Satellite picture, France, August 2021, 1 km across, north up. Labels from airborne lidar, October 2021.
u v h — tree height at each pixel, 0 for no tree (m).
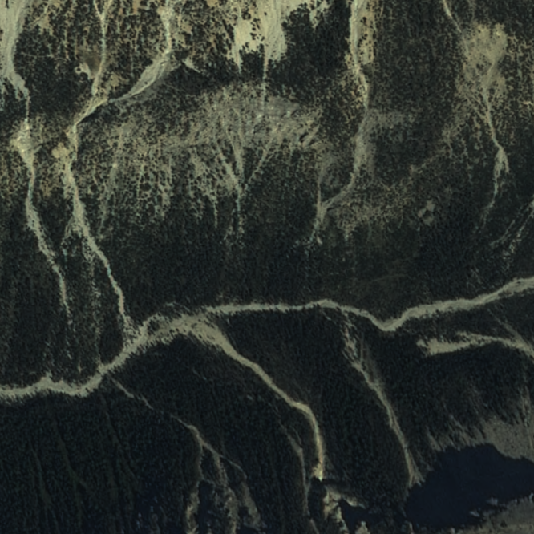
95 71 0
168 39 0
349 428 14
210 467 8
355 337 7
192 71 12
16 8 0
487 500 8
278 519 12
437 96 6
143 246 6
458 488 0
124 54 7
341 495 0
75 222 0
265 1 0
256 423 11
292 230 13
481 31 0
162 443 13
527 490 9
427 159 9
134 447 15
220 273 14
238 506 0
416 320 7
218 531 6
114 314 6
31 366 15
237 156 0
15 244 12
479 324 6
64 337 14
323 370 9
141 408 14
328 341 9
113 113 6
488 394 10
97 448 17
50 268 6
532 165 6
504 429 0
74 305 10
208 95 6
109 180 0
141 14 7
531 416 0
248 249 9
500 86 0
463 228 15
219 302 9
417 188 10
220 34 7
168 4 0
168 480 8
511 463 0
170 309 11
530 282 0
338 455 6
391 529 7
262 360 11
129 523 8
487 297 0
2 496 16
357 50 0
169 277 12
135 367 11
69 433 15
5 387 0
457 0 6
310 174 7
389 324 0
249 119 0
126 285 6
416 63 9
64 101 11
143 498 12
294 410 6
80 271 7
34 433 13
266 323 8
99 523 11
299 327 15
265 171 7
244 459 15
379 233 0
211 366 11
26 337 15
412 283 7
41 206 10
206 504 7
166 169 0
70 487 18
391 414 0
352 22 0
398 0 6
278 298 12
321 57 12
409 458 0
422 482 0
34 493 14
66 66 7
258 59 8
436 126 8
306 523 8
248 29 0
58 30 7
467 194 14
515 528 0
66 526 13
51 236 10
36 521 15
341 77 7
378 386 0
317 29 10
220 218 8
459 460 0
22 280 13
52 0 0
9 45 0
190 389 11
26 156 0
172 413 15
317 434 0
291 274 8
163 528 10
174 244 13
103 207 0
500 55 0
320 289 14
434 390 12
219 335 0
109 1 0
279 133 0
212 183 13
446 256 16
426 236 13
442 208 11
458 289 11
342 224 5
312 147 8
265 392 14
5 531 12
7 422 11
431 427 8
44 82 7
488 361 9
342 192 0
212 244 12
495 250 6
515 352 6
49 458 15
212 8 8
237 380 10
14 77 0
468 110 7
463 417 6
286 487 13
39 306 11
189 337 7
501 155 0
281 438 18
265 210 7
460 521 24
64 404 13
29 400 11
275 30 0
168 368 11
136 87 0
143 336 0
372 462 7
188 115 8
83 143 6
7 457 13
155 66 0
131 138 0
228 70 6
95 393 6
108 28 6
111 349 13
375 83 0
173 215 11
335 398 15
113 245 6
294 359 7
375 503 9
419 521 6
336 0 11
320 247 6
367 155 0
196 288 17
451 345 0
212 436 6
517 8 7
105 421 18
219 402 14
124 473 12
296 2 0
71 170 8
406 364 15
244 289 14
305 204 8
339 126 8
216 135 8
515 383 7
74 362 15
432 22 6
